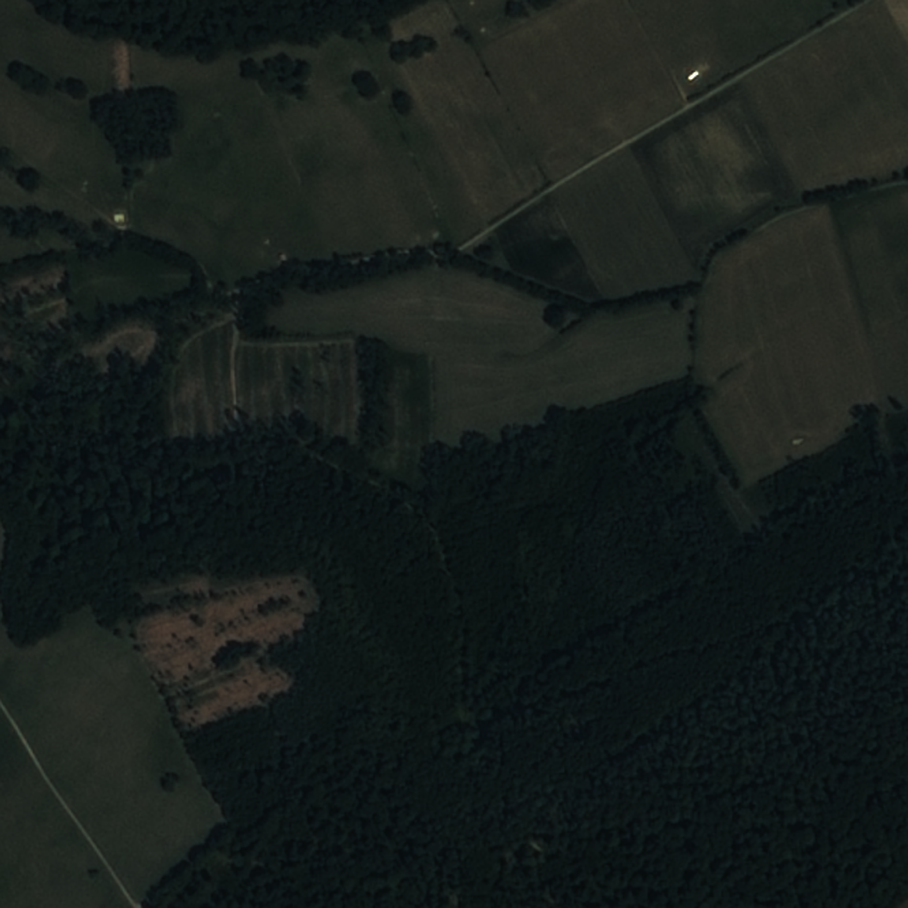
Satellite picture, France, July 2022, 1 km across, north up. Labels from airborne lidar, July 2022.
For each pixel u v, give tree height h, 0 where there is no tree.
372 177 0
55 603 11
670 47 0
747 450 0
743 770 20
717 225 0
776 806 27
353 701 10
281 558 19
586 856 18
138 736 0
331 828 29
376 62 0
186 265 21
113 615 16
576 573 7
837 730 27
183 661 0
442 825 21
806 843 29
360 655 11
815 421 0
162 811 0
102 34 27
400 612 30
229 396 0
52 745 0
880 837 23
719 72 0
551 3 13
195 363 0
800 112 0
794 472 10
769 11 0
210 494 29
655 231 0
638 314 0
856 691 28
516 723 28
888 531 20
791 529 19
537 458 11
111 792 0
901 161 0
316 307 0
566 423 29
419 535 28
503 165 0
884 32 0
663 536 31
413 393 0
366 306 0
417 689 24
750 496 0
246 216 0
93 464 34
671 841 30
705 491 11
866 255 0
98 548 31
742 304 0
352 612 21
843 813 29
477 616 8
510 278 17
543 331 0
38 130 0
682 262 0
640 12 0
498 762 25
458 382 0
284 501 28
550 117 0
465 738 36
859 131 0
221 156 0
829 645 30
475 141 0
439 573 26
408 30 0
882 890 22
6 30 0
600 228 0
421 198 0
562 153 0
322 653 11
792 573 20
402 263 22
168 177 0
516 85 0
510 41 0
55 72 0
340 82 0
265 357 0
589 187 0
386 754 22
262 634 0
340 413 0
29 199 0
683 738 25
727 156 0
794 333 0
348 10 28
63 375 31
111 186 0
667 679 25
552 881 17
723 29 0
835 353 0
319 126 0
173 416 0
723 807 31
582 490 7
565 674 28
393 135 0
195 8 29
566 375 0
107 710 0
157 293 0
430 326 0
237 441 27
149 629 0
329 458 31
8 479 28
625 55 0
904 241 0
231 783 15
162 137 24
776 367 0
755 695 26
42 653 0
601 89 0
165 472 33
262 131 0
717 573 21
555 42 0
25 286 0
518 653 21
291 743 16
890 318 0
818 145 0
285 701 14
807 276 0
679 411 18
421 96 0
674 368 0
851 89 0
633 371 0
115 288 0
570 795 19
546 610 6
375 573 33
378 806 28
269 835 23
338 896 24
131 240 22
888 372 0
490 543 8
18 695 0
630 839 10
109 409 29
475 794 28
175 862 0
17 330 10
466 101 0
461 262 20
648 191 0
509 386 0
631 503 11
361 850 16
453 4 0
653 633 20
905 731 27
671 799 17
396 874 31
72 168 0
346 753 25
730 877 27
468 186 0
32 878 0
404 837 12
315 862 23
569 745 30
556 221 0
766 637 20
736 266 0
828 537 25
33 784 0
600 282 0
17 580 25
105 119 23
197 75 0
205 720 0
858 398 0
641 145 0
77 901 0
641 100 0
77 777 0
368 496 25
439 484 28
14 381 33
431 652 24
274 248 0
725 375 0
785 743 25
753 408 0
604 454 13
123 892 0
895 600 27
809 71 0
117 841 0
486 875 16
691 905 31
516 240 0
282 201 0
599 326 0
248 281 16
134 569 25
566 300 18
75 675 0
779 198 0
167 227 0
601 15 0
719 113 0
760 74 0
